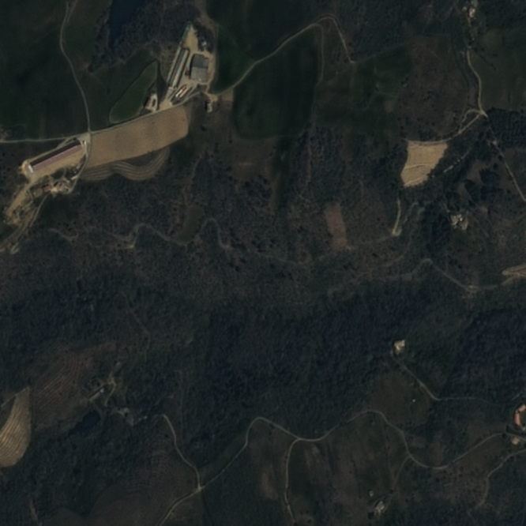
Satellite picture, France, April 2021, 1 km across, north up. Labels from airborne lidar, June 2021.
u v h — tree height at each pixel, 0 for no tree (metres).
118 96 0
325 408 13
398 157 6
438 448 0
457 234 10
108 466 8
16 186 0
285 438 0
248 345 16
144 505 0
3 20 0
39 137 0
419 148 0
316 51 0
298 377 9
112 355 8
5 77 0
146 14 16
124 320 10
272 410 9
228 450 0
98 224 5
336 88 0
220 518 8
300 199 6
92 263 15
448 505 12
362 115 0
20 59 0
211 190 12
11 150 0
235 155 0
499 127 9
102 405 14
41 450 19
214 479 7
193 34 0
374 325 16
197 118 0
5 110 0
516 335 9
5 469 9
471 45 9
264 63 0
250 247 9
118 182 6
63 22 0
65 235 10
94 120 0
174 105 0
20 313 19
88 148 0
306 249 13
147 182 6
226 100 0
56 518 0
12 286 16
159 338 6
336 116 0
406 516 8
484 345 9
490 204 11
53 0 0
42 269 14
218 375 16
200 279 10
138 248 6
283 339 21
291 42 0
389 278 6
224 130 0
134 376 15
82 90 0
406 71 0
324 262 10
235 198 11
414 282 7
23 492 8
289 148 0
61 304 11
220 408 9
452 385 13
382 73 0
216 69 0
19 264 11
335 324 23
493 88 0
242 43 0
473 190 22
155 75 0
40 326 12
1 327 10
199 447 9
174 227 6
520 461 10
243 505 10
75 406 0
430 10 0
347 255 11
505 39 11
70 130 0
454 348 7
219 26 0
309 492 0
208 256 10
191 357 13
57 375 0
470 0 6
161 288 18
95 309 7
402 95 0
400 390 0
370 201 11
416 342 11
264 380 10
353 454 0
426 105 0
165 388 11
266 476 0
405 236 10
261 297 11
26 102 0
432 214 19
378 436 0
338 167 8
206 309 20
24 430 0
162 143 0
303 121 0
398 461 0
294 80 0
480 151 16
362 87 0
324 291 11
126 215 14
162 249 9
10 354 16
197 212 0
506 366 13
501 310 8
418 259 6
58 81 0
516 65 0
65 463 6
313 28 0
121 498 0
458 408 9
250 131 0
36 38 0
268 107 0
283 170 0
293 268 8
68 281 13
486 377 11
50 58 0
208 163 9
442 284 14
